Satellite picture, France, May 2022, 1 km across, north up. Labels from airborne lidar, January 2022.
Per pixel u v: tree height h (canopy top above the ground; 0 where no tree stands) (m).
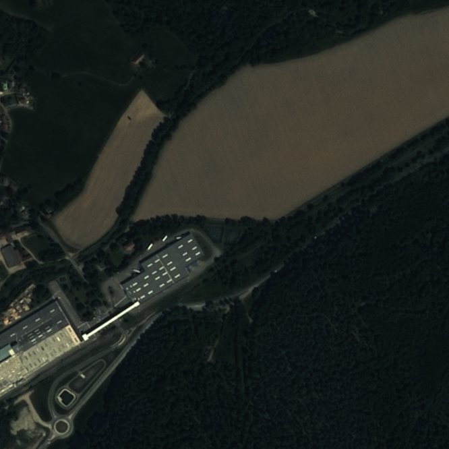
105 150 0
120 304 0
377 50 0
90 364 0
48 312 0
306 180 0
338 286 13
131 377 20
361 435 23
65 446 0
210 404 20
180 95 13
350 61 0
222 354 0
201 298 0
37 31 13
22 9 0
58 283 0
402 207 15
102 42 0
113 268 24
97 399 0
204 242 0
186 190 0
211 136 0
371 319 12
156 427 23
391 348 17
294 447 25
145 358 19
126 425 35
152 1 27
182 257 0
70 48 0
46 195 0
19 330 0
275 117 0
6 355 0
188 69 21
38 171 0
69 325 0
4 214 15
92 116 0
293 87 0
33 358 0
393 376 27
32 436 0
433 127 0
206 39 25
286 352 33
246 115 0
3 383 0
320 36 19
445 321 14
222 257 8
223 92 0
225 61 24
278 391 27
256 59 15
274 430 26
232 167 0
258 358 21
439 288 32
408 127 0
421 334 17
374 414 25
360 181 22
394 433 33
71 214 0
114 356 0
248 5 20
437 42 0
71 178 0
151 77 0
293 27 24
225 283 18
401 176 0
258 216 0
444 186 21
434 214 18
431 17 0
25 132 0
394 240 15
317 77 0
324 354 33
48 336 0
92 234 0
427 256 23
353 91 0
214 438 23
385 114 0
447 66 0
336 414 20
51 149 0
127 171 0
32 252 0
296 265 19
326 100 0
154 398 23
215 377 16
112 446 29
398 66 0
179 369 7
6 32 31
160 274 0
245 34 23
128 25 16
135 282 0
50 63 0
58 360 0
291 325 21
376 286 12
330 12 22
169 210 0
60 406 0
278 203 0
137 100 0
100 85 0
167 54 0
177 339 19
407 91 0
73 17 0
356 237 11
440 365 16
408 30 0
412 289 12
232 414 23
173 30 16
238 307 20
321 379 10
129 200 20
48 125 0
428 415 26
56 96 0
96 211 0
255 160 0
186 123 0
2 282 0
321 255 15
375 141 0
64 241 0
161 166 0
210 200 0
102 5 0
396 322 10
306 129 0
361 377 27
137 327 0
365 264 22
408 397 27
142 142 0
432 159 0
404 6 21
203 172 0
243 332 0
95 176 0
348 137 0
